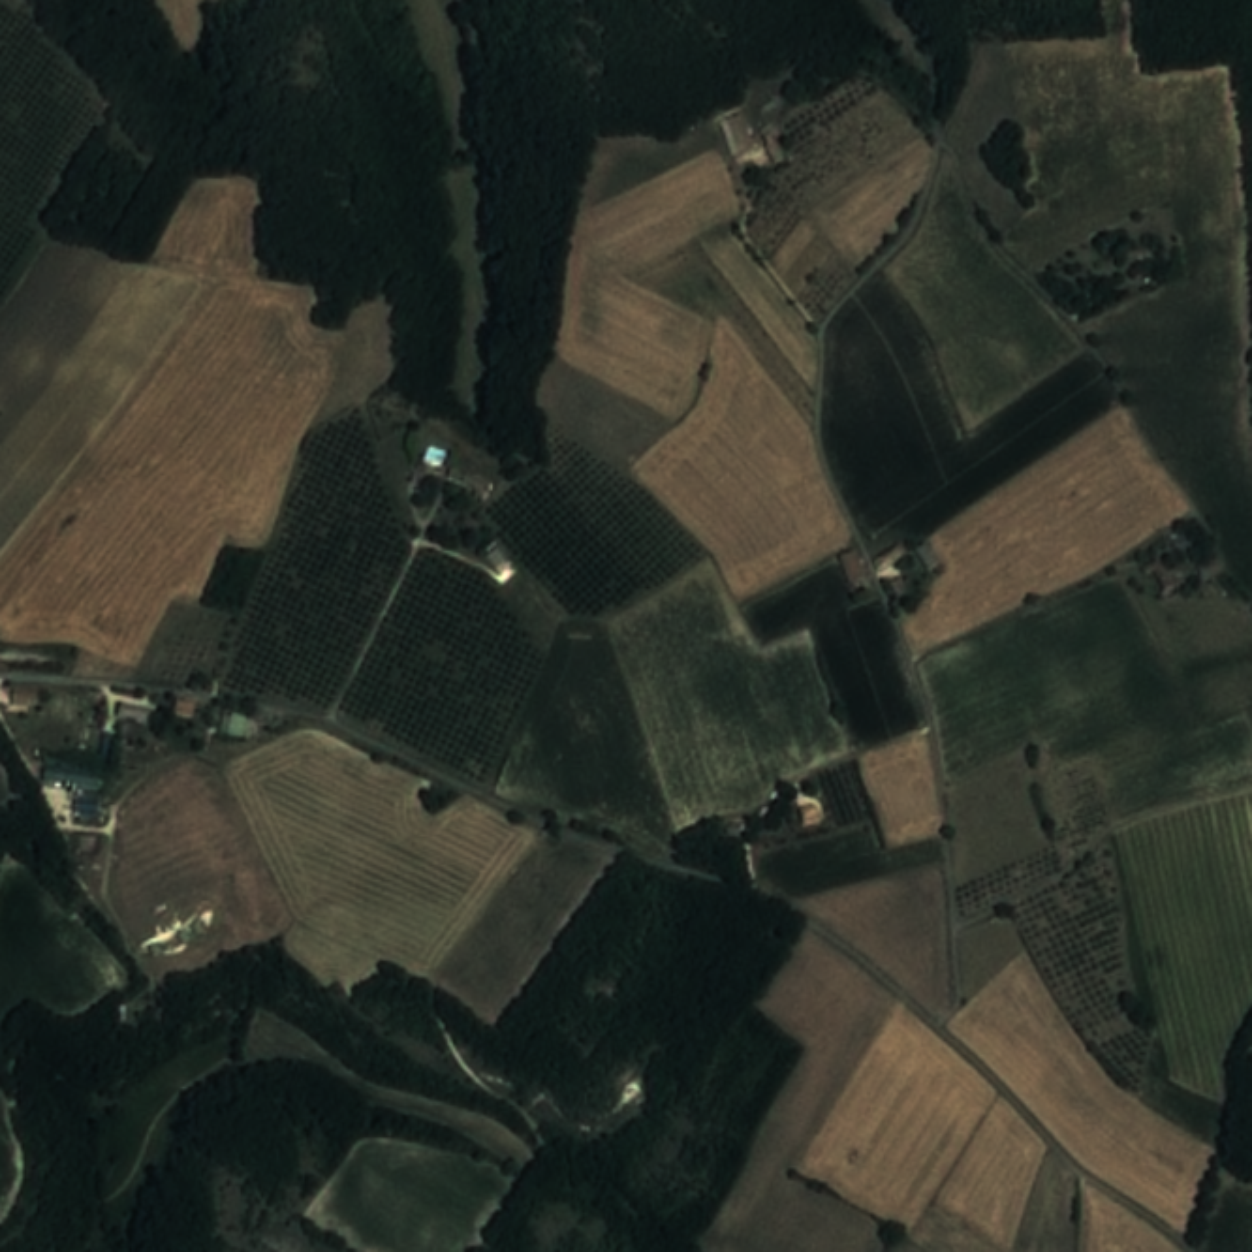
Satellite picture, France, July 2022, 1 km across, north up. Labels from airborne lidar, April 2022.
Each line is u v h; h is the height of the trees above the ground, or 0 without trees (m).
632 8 9
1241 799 0
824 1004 0
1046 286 6
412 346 13
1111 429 0
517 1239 12
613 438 0
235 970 14
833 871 0
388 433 0
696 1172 6
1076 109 0
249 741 0
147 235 11
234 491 0
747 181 7
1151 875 0
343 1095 16
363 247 13
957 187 0
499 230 23
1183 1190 0
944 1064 0
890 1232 11
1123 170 0
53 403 0
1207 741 0
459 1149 0
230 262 0
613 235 0
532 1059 9
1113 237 10
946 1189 0
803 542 0
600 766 0
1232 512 0
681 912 8
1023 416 0
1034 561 0
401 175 17
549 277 11
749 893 13
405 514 0
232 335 0
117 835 0
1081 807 0
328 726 0
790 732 0
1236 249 0
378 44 10
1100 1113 0
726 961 13
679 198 0
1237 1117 16
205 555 0
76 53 16
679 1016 11
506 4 12
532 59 9
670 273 0
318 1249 0
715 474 0
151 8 19
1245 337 0
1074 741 0
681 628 0
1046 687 0
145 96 14
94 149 9
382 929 0
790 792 13
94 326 0
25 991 0
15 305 0
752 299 0
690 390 0
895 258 0
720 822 10
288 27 9
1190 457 0
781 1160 0
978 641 0
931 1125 0
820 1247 0
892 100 0
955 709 0
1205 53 12
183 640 0
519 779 0
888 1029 0
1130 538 0
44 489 0
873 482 0
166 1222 16
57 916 0
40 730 0
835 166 0
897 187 0
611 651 0
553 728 0
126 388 0
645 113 11
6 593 0
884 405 0
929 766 0
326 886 0
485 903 0
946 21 12
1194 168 0
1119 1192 0
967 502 0
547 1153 8
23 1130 7
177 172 6
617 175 0
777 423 0
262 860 0
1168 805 0
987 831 0
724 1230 0
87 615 0
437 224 21
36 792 14
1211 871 0
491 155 22
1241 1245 0
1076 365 0
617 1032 7
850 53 15
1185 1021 0
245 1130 13
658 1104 12
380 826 0
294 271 11
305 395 0
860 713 0
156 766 0
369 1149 0
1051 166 0
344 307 11
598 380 0
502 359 20
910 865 0
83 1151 13
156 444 0
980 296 0
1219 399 0
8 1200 0
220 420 0
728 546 0
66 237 14
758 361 0
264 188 9
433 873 0
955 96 9
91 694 0
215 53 23
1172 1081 0
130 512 0
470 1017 9
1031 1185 0
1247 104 10
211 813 0
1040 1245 0
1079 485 0
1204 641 0
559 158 15
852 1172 0
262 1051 0
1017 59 0
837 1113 0
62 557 0
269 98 7
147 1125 0
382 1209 0
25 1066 13
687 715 0
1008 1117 0
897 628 0
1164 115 0
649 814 0
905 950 0
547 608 0
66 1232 13
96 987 0
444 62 0
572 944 14
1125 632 0
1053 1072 0
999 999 0
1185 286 0
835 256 0
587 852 0
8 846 17
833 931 0
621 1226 9
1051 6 8
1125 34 0
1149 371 0
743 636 0
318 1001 9
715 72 9
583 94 8
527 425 16
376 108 13
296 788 0
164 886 0
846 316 0
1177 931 0
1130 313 0
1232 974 0
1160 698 0
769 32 12
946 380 0
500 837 0
